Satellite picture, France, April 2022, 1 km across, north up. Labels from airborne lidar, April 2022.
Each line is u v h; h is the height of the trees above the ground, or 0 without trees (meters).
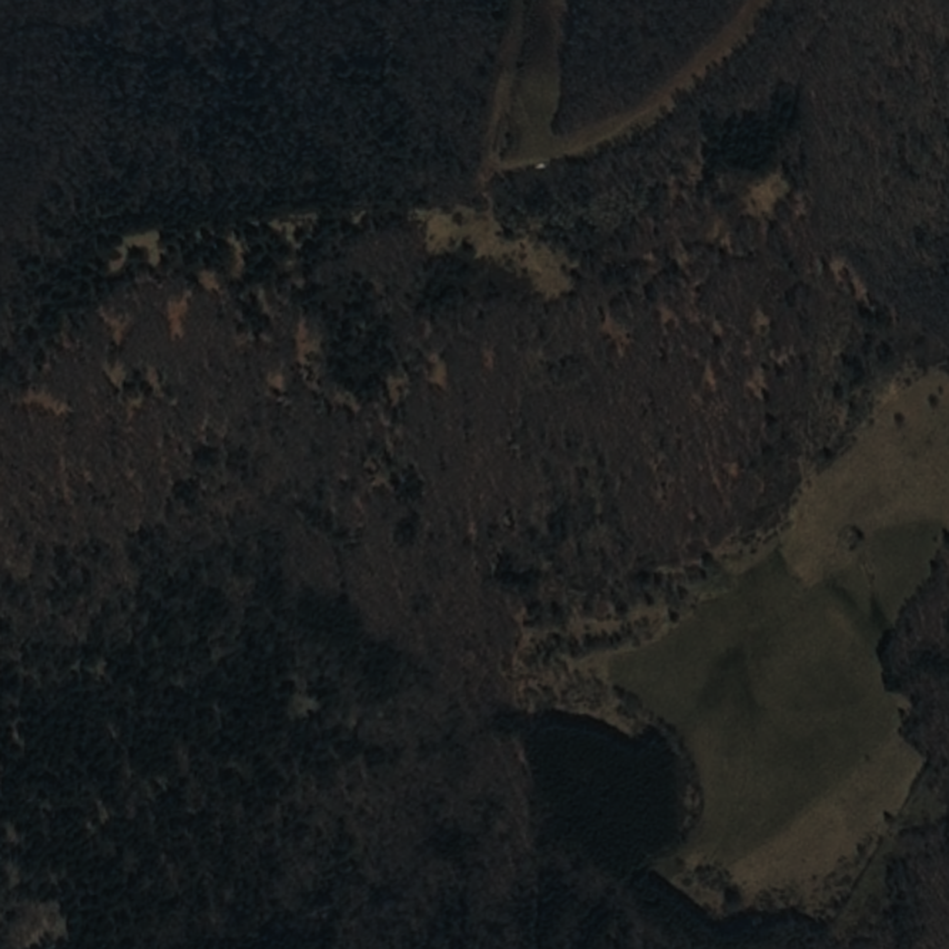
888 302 9
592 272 10
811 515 0
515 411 17
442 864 29
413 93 17
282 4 16
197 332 20
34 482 24
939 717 17
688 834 13
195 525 23
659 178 16
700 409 23
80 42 19
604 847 21
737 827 0
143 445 25
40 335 14
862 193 27
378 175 12
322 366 17
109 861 17
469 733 26
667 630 0
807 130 13
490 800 17
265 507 20
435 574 20
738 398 19
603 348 14
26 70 11
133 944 33
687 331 17
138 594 19
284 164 15
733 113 14
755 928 20
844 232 21
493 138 0
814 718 0
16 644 20
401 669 22
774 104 15
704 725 0
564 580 0
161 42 27
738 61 14
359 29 17
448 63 15
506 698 18
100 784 21
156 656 27
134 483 18
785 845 0
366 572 17
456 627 21
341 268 13
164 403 19
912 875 14
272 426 19
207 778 24
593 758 23
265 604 27
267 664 33
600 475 11
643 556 8
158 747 21
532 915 19
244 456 18
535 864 13
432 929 17
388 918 19
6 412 18
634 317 14
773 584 0
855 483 0
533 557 17
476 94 11
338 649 21
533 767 21
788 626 0
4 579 24
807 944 12
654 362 20
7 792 29
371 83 21
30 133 15
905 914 14
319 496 17
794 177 12
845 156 13
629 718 0
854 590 0
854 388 8
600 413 18
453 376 16
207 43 23
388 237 13
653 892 23
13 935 32
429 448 17
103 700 23
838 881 0
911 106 25
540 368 13
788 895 0
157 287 15
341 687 28
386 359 13
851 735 0
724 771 0
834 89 17
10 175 11
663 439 17
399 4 14
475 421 19
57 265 17
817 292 14
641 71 17
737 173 12
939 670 24
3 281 12
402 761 22
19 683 29
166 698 19
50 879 25
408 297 7
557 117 7
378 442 18
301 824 14
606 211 19
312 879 17
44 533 20
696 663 0
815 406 7
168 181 16
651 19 19
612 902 16
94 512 27
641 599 14
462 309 9
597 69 19
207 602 21
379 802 18
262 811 26
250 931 22
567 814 23
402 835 20
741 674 0
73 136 16
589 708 0
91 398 21
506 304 10
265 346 18
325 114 13
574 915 17
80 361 19
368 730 26
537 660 10
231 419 16
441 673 26
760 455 9
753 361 14
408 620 23
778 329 15
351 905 17
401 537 15
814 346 9
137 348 16
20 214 10
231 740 28
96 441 24
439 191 11
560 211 16
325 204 12
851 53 19
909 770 0
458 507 20
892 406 0
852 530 0
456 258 9
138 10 18
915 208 18
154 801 22
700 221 18
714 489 18
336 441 19
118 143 12
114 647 18
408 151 15
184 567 21
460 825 17
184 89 20
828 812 0
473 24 16
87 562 17
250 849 26
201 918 21
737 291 19
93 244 16
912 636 19
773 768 0
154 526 14
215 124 17
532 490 19
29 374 21
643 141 17
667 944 11
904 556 0
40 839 32
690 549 12
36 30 20
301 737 28
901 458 0
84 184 13
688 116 20
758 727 0
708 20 17
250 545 22
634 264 10
